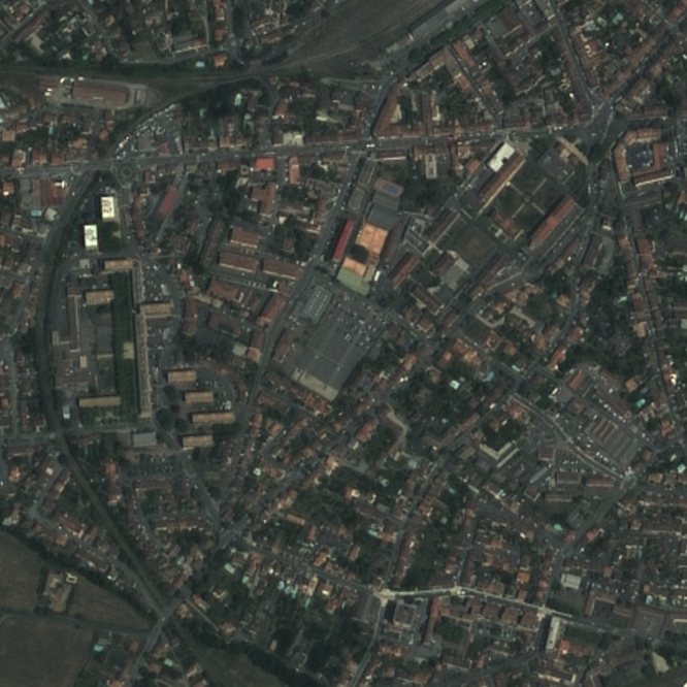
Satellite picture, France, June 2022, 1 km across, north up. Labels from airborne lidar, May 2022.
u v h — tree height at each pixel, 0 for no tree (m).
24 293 0
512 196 0
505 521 0
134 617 0
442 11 0
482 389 14
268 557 0
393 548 17
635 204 0
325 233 0
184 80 0
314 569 0
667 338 7
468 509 0
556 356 0
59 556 6
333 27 0
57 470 0
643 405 7
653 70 0
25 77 0
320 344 0
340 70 0
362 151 0
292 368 0
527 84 0
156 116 0
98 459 6
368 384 0
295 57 0
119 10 7
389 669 0
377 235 0
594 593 0
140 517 0
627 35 7
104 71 7
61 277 0
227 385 0
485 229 0
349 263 0
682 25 11
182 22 10
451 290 0
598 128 0
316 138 0
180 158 0
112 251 15
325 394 0
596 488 0
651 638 0
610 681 7
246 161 10
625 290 12
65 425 10
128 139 0
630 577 9
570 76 0
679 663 8
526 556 0
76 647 0
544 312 0
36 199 0
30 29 0
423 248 0
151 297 0
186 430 12
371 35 0
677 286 8
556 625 0
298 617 7
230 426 9
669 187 20
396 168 9
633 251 0
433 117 0
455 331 0
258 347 0
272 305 0
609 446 0
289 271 0
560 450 0
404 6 0
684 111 0
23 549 0
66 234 6
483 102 0
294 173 0
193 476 0
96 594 0
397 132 0
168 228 8
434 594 0
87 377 0
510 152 0
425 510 0
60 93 0
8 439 9
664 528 0
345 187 0
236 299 0
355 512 5
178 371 0
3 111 0
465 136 0
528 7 0
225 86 9
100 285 0
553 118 0
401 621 0
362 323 0
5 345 0
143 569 0
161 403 0
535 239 0
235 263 0
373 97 0
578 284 0
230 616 9
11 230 0
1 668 0
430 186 12
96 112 0
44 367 0
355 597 0
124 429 0
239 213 9
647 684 0
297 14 7
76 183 0
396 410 7
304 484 0
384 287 0
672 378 0
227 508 0
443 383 13
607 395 0
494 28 0
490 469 6
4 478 0
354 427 0
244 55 6
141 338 0
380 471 7
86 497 7
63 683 0
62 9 11
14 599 0
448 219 0
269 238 0
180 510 7
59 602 0
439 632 12
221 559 16
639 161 0
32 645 0
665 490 0
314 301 0
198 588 16
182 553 9
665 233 13
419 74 0
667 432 0
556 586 10
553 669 0
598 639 8
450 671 0
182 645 6
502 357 6
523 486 8
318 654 10
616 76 0
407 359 0
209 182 16
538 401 6
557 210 0
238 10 10
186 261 6
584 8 0
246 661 0
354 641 10
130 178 0
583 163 0
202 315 0
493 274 0
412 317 0
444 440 0
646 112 0
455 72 0
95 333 0
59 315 0
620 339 0
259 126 0
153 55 0
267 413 6
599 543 6
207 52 0
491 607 0
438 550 6
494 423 0
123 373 13
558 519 13
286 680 12
